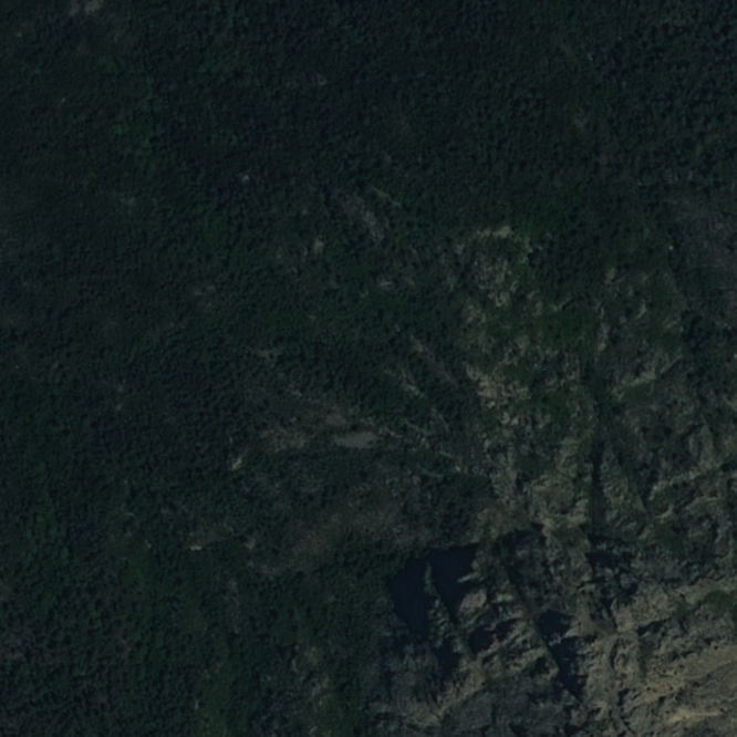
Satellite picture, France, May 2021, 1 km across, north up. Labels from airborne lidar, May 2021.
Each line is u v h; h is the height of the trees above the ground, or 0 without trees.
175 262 10
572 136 7
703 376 22
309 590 9
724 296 11
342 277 16
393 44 10
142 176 21
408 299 10
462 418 17
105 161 14
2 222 7
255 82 20
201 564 10
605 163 8
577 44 11
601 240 31
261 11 18
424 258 7
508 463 6
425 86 16
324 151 18
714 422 8
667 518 10
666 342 9
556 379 9
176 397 15
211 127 20
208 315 9
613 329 6
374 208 6
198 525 11
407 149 12
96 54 9
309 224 10
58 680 16
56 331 8
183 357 22
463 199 17
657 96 18
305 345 18
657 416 22
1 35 9
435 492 10
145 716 17
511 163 15
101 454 14
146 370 10
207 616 11
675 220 6
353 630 10
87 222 11
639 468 7
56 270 9
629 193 8
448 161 14
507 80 26
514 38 26
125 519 6
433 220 12
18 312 6
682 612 8
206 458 20
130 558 9
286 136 19
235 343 6
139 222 9
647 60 8
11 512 17
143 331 7
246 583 14
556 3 11
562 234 11
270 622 13
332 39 8
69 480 17
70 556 10
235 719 23
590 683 0
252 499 6
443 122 14
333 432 7
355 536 11
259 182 25
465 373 6
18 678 18
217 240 19
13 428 6
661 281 7
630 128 16
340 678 20
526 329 19
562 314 14
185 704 11
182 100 21
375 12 23
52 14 10
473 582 9
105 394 8
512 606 9
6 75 13
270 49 22
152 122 18
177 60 26
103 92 12
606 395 13
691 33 25
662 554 8
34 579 13
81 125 16
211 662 16
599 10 6
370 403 11
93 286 14
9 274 11
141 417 19
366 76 22
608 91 29
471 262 8
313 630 10
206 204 20
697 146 32
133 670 11
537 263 22
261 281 16
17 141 11
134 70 8
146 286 8
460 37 17
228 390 16
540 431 9
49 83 9
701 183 8
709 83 13
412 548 8
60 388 20
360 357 17
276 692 10
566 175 24
